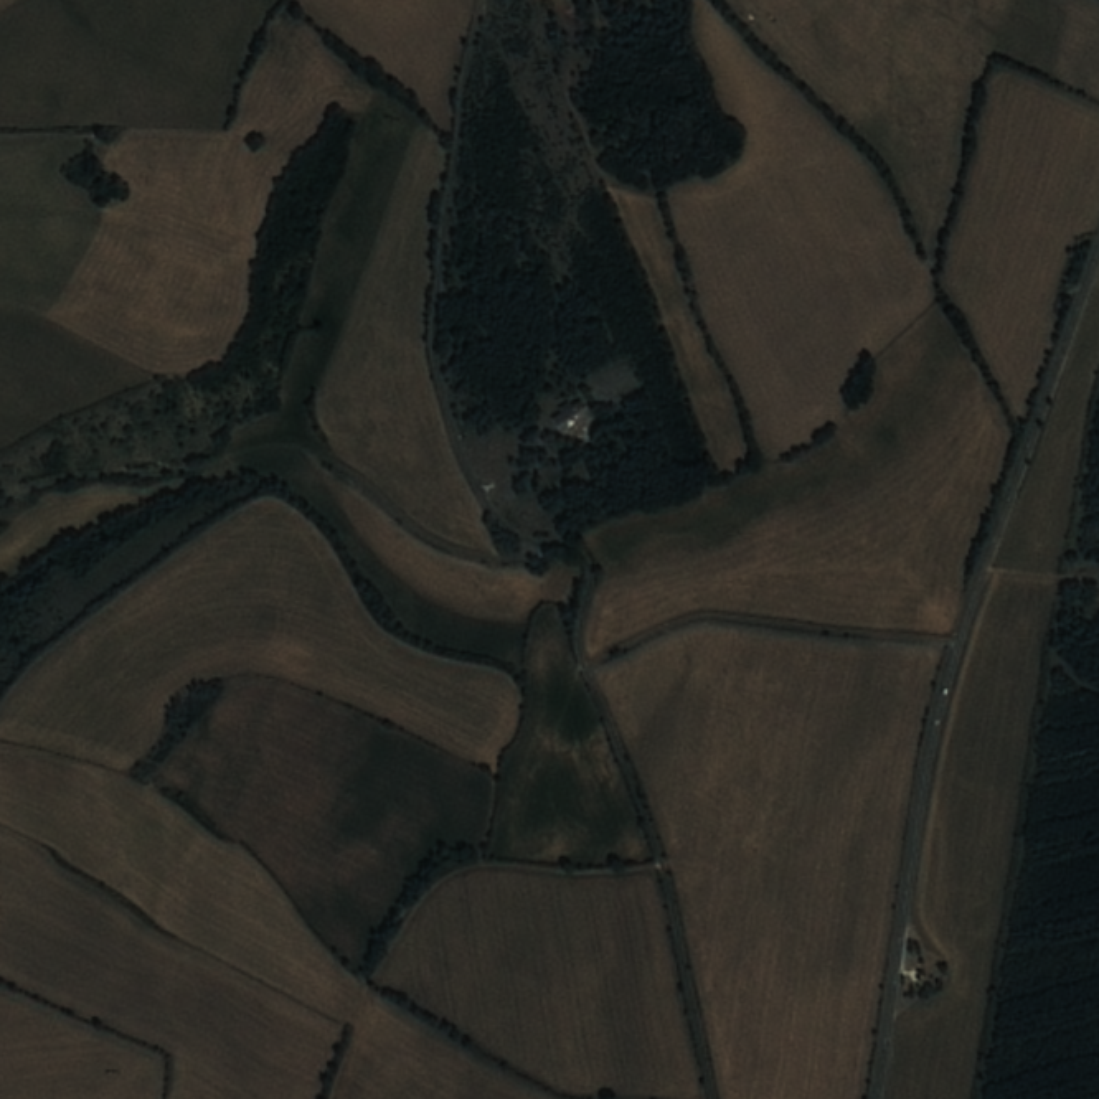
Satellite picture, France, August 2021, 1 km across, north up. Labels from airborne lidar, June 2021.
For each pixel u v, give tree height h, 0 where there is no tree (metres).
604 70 9
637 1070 0
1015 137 0
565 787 0
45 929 0
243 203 0
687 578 0
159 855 0
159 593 0
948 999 0
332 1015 0
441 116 0
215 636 0
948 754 0
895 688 0
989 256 0
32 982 0
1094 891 11
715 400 0
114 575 0
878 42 0
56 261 0
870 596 0
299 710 0
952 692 0
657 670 0
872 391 12
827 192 0
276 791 0
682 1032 0
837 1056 0
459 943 0
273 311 11
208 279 0
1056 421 0
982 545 8
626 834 0
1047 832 11
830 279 0
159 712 0
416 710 0
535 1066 0
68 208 0
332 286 0
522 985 0
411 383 0
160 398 7
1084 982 11
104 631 0
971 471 0
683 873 0
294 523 0
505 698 0
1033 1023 12
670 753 0
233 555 0
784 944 0
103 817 0
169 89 0
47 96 0
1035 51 0
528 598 0
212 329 0
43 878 0
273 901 0
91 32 0
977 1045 0
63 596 0
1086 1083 15
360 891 0
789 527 0
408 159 0
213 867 0
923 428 0
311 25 8
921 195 0
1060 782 7
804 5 0
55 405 0
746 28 11
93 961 0
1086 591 10
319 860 0
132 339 0
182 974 0
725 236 0
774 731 0
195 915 0
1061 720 7
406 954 0
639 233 0
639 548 0
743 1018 0
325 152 14
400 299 0
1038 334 0
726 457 0
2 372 0
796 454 12
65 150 0
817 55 0
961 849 0
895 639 0
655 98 13
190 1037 0
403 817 0
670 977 0
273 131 0
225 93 0
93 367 0
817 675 0
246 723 0
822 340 0
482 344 12
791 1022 0
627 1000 0
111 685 0
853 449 0
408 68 0
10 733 0
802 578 0
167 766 0
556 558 13
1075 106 0
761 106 0
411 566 0
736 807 0
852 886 0
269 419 0
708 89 15
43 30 0
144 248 0
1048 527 0
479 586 0
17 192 0
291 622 0
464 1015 0
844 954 0
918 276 0
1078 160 0
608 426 14
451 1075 0
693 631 0
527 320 13
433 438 0
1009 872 0
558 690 0
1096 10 0
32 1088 0
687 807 0
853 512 0
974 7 0
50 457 8
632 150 10
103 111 0
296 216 13
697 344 0
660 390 6
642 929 0
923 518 0
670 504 12
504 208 6
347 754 0
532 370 12
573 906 0
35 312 0
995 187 0
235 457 0
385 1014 0
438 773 0
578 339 13
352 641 0
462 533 0
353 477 0
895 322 0
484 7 0
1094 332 0
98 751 0
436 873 13
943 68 0
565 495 14
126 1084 0
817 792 0
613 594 0
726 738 0
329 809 0
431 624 0
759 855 0
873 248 0
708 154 16
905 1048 0
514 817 0
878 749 0
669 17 15
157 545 0
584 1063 0
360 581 13
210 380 14
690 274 15
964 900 0
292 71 0
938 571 0
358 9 0
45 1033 0
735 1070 0
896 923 0
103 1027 9
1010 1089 12
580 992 0
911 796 0
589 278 7
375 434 0
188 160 0
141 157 0
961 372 0
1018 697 0
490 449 0
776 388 0
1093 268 0
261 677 0
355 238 0
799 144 0
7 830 0
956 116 0
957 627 0
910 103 0
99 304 0
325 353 0
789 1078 0
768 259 0
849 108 0
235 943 0
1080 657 9
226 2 0
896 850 0
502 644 0
